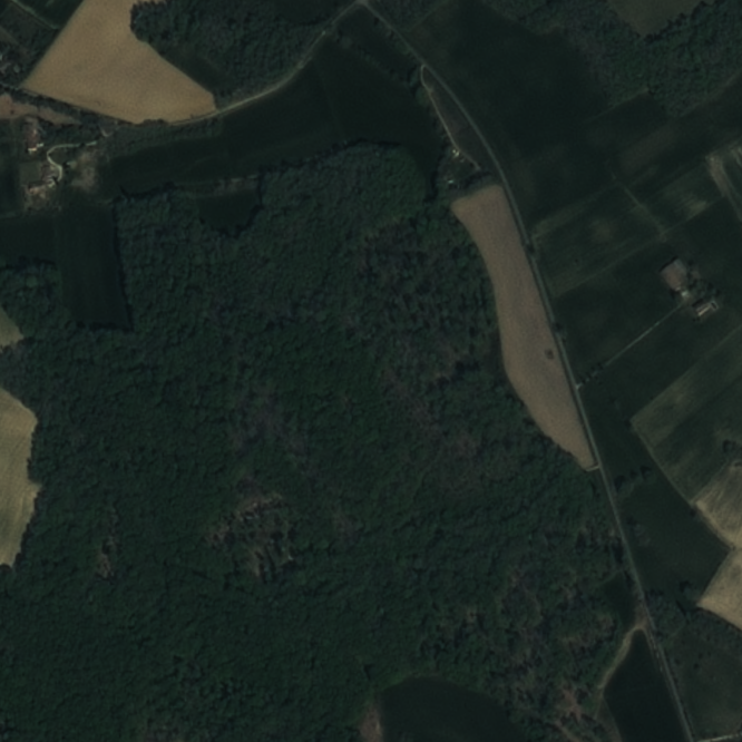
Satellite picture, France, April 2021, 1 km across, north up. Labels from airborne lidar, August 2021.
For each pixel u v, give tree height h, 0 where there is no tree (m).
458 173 0
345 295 24
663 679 0
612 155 0
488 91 0
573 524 25
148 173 0
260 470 24
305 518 25
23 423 0
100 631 30
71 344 26
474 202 0
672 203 0
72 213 0
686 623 13
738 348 0
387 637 28
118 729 24
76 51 0
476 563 29
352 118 0
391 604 30
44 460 17
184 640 28
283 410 27
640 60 25
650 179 0
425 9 16
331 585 27
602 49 19
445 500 15
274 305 15
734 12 19
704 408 0
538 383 0
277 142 0
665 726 0
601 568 25
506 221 0
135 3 0
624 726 0
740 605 0
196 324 24
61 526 24
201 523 29
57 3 0
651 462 0
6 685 26
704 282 9
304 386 27
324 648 29
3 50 10
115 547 24
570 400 0
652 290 0
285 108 0
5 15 0
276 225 19
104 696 24
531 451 16
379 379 21
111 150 15
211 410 26
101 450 21
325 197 22
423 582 26
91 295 0
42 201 0
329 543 31
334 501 24
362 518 25
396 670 23
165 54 7
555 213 0
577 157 0
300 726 23
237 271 15
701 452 0
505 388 17
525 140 0
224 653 29
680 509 0
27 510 0
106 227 0
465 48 0
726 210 0
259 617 30
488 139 0
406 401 9
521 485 23
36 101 11
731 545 0
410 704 0
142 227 19
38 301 23
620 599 0
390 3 15
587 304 0
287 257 16
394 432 23
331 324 22
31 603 24
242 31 23
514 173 0
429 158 0
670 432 0
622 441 0
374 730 0
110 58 0
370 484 25
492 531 26
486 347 25
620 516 0
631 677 0
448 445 10
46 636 26
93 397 18
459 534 27
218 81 0
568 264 0
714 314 0
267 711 29
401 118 0
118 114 0
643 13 0
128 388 23
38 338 19
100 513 23
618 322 0
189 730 13
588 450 0
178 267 29
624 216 0
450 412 25
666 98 20
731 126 0
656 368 0
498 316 12
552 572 27
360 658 30
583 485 21
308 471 20
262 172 0
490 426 21
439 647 27
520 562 24
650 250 0
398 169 20
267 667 27
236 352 29
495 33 0
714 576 0
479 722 0
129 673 26
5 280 25
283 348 25
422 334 23
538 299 0
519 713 15
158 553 27
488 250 0
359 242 22
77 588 33
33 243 0
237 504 25
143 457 22
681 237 0
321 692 28
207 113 0
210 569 32
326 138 0
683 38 19
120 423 24
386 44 0
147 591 25
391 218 23
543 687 26
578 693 24
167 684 25
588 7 22
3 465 0
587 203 0
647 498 0
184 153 0
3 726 15
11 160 0
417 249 23
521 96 0
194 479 25
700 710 0
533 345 0
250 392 20
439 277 18
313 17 0
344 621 27
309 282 16
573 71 0
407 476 23
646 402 0
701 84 22
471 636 29
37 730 26
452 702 0
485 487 13
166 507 26
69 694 24
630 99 11
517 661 29
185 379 21
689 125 0
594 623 28
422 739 0
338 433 25
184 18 22
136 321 23
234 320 22
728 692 0
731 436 0
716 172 0
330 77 0
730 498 0
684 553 0
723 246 0
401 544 28
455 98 0
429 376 24
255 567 30
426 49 0
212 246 19
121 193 0
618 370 0
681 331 0
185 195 18
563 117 0
